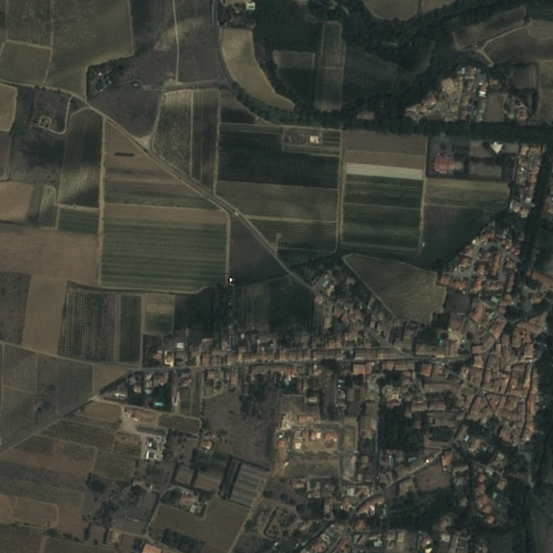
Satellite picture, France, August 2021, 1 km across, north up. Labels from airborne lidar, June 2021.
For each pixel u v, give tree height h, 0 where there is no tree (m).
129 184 0
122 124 0
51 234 0
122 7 0
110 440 0
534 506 5
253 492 0
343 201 0
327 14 6
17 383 0
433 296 0
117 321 0
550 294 10
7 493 0
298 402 0
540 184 15
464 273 0
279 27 7
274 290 0
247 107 14
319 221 0
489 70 6
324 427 0
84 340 0
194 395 0
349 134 0
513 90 7
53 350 0
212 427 0
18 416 0
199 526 0
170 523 0
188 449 0
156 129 0
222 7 10
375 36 18
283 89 12
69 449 0
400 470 0
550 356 7
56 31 0
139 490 9
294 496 0
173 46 0
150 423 0
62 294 0
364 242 0
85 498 0
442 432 15
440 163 0
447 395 7
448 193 0
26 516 0
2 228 0
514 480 11
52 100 0
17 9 0
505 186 0
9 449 0
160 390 15
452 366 7
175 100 0
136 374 8
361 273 0
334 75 0
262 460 0
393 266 0
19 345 0
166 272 0
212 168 0
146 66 0
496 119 0
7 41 0
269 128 0
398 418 10
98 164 0
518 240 13
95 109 0
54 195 0
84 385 0
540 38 0
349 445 0
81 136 0
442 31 11
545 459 13
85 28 0
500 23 0
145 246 0
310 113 6
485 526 7
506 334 17
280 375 6
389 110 8
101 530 0
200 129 0
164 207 0
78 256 0
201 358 0
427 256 0
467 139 15
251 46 0
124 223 0
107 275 0
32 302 0
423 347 0
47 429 0
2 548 0
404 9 0
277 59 0
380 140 0
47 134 0
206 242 0
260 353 0
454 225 0
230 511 0
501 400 0
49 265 0
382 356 0
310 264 8
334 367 17
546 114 0
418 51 20
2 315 0
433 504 7
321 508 6
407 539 0
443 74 15
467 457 9
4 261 0
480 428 9
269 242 0
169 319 0
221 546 0
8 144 0
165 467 0
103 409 0
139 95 0
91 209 0
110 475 0
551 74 0
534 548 16
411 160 0
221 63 0
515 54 0
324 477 0
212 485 0
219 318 8
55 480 0
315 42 7
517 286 15
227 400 0
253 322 0
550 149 16
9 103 0
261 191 0
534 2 19
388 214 0
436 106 0
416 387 9
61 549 0
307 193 0
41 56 0
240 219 0
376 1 0
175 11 0
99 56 0
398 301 0
